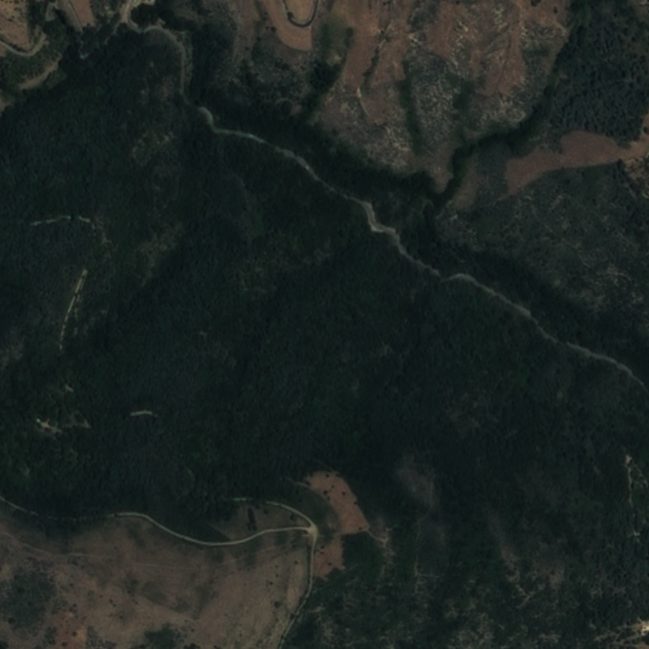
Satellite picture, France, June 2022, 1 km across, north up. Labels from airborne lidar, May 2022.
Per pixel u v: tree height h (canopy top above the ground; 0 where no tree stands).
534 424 9
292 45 0
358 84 0
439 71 0
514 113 0
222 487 13
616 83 7
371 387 10
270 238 14
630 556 14
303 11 0
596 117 16
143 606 0
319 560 0
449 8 0
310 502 0
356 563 0
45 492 10
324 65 6
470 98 0
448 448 11
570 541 8
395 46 0
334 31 0
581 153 0
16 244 10
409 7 0
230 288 10
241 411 17
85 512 8
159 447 8
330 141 11
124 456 7
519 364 10
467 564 6
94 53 13
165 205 9
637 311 8
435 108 0
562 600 6
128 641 0
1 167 10
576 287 6
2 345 9
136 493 6
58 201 7
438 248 8
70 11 0
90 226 8
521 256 6
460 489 8
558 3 0
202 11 10
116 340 21
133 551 0
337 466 6
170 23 14
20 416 7
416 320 10
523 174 0
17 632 0
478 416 8
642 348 12
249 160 8
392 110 0
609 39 8
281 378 12
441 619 7
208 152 8
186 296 10
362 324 7
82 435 10
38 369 7
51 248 11
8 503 5
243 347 12
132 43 12
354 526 0
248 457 12
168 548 0
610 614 17
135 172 10
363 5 0
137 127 9
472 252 10
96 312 11
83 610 0
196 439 16
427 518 0
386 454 8
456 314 11
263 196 7
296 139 10
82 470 8
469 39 0
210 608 0
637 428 7
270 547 0
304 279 9
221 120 12
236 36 0
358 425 7
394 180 13
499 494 6
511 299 8
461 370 10
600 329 11
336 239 6
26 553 0
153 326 12
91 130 12
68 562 0
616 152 0
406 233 11
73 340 9
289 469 9
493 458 9
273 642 0
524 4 0
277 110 13
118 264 8
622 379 7
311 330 13
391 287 14
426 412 11
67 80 15
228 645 0
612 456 6
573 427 8
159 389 12
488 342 13
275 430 7
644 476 8
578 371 8
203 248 9
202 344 12
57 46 7
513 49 0
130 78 9
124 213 12
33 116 11
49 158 10
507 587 9
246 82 6
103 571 0
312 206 7
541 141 0
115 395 11
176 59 6
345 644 8
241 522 0
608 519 9
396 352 8
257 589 0
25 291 11
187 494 7
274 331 12
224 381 7
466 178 0
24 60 8
